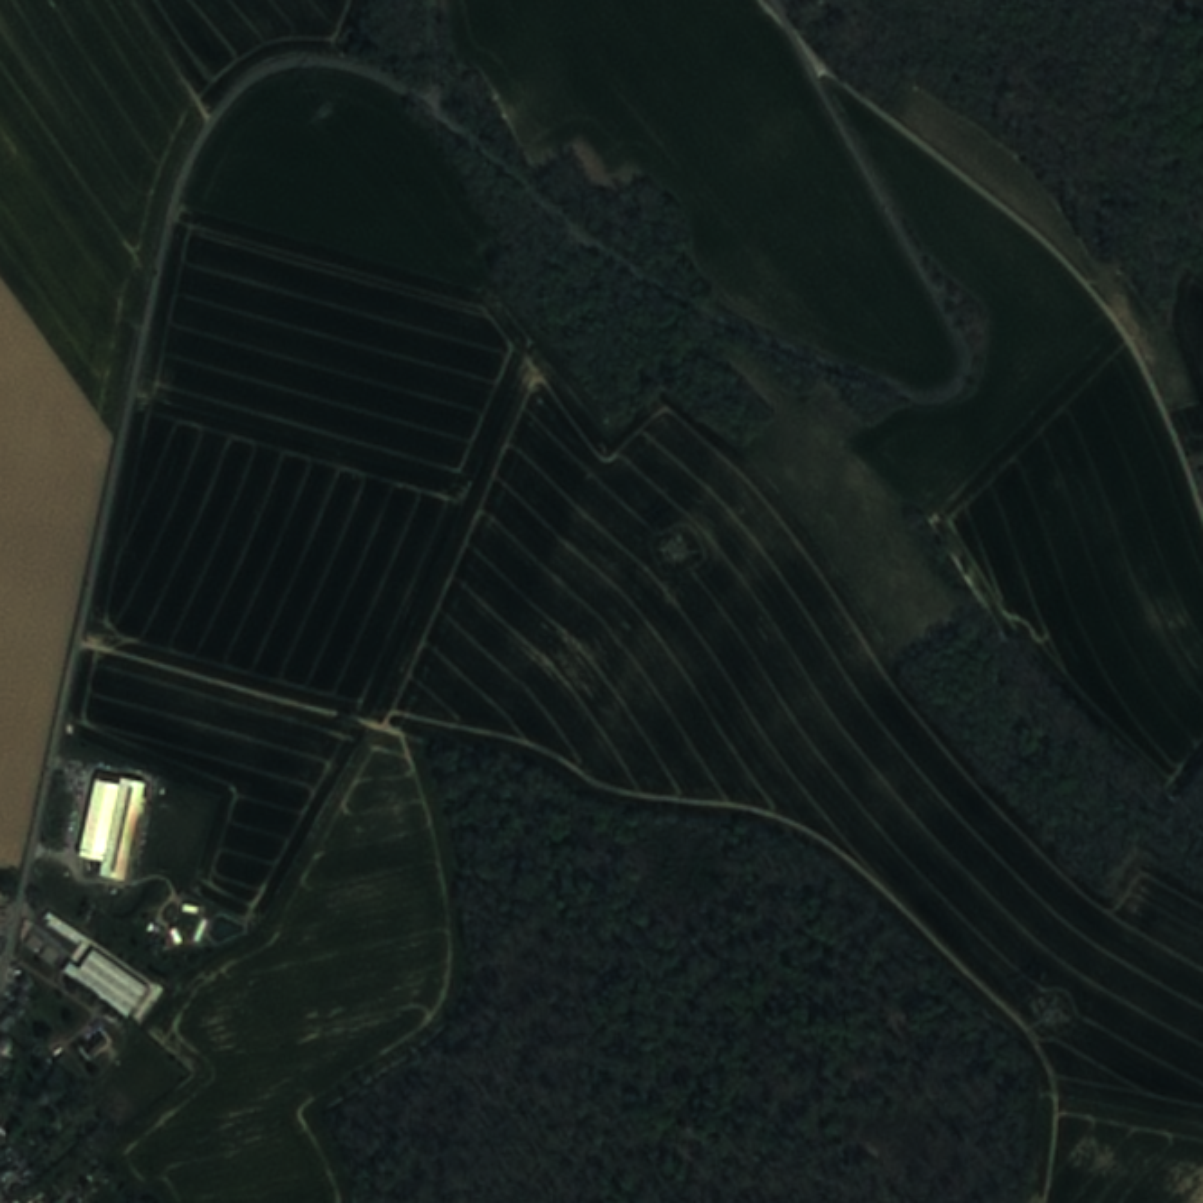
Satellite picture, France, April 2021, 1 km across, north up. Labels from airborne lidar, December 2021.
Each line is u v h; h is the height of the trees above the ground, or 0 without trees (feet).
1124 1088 0
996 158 0
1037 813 60
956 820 0
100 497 0
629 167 0
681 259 43
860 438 0
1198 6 0
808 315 0
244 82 0
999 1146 84
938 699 80
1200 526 0
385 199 0
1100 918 0
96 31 0
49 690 0
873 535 0
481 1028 73
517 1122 89
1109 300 0
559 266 63
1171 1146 0
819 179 0
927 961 20
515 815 48
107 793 0
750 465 0
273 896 0
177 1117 0
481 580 0
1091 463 0
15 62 0
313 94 0
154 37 0
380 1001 0
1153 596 0
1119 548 0
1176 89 87
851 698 0
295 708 0
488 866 74
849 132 0
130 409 0
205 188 0
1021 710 76
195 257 0
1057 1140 0
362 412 0
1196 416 0
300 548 0
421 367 0
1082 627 0
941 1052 86
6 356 0
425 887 0
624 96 0
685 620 0
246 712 0
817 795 0
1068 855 71
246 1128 0
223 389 0
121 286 0
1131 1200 0
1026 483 0
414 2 68
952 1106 65
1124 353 0
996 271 0
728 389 74
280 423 0
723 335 52
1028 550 0
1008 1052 71
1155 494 0
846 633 0
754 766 0
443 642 0
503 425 0
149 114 0
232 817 0
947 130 0
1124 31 84
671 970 52
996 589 0
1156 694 0
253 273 0
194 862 0
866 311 0
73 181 0
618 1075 94
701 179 0
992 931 0
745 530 0
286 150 0
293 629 0
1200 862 74
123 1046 0
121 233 0
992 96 23
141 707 0
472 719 0
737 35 0
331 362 0
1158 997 0
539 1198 84
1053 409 0
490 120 54
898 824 0
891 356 0
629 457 0
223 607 0
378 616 0
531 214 64
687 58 0
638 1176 95
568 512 0
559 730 0
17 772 0
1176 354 0
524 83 0
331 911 0
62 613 0
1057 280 0
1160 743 0
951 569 27
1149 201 77
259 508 0
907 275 0
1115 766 65
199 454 0
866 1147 0
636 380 73
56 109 0
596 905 85
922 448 0
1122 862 81
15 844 0
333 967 0
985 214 0
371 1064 0
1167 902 0
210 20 0
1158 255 75
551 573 0
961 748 45
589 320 79
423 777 0
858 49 25
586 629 0
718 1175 90
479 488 0
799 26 53
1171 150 65
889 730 0
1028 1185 57
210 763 0
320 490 0
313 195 0
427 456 0
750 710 0
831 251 0
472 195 55
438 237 0
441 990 0
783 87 0
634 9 0
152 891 0
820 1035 83
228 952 0
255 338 0
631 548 0
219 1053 0
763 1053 0
